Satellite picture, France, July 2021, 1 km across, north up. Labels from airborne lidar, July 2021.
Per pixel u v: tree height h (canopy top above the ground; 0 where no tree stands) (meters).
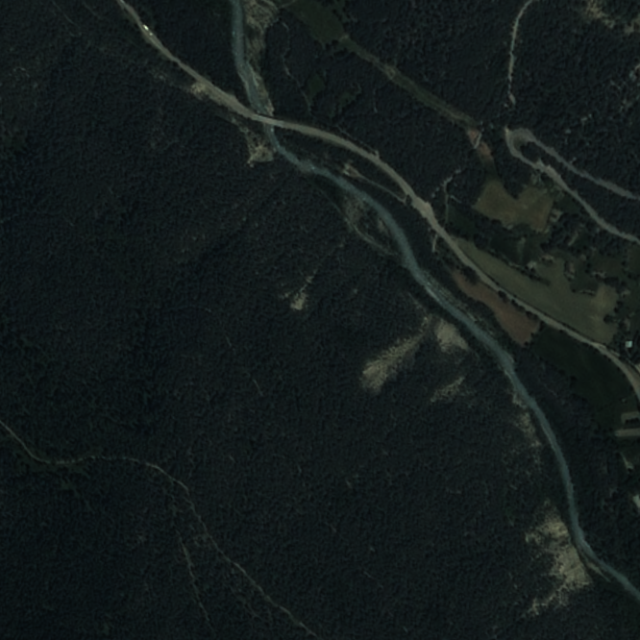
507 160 11
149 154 10
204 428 16
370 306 10
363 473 13
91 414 19
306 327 10
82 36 7
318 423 10
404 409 12
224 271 14
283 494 11
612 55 14
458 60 11
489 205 0
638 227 12
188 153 15
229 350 14
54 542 19
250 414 12
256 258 11
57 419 18
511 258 0
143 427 30
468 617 11
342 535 11
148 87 10
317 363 15
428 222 9
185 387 14
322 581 11
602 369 0
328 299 6
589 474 13
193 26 16
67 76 13
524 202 0
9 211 16
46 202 16
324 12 0
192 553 13
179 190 10
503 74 8
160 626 14
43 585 20
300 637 9
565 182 7
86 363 11
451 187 15
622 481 15
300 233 12
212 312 9
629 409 0
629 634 7
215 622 14
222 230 9
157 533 10
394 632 8
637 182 10
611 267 0
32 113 13
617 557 16
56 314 14
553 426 10
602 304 0
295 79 9
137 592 10
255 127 8
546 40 13
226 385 11
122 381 19
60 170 12
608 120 13
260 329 14
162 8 15
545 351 0
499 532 11
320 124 8
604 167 12
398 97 11
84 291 12
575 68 15
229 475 9
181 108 8
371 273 8
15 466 19
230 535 12
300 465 11
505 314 0
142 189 12
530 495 17
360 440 11
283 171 8
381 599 11
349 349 13
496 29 8
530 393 11
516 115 10
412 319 7
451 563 11
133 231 20
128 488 15
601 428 12
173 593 13
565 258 0
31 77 6
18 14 10
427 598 12
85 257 13
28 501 16
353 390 9
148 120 11
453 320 7
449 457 10
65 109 10
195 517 8
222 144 11
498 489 14
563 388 15
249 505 12
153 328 16
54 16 9
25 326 15
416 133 12
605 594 15
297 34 10
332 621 9
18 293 13
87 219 17
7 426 17
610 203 9
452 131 11
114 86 12
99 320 12
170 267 11
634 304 0
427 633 10
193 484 17
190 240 10
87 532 21
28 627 21
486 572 13
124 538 14
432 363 7
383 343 9
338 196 9
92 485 19
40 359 22
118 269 19
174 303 17
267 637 13
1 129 14
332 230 8
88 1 11
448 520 8
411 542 14
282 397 21
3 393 15
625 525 12
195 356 10
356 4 16
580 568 0
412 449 12
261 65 7
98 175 15
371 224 6
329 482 10
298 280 8
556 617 9
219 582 13
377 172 9
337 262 11
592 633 11
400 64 11
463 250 0
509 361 0
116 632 11
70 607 14
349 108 13
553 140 11
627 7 8
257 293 13
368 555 13
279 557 15
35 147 21
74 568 18
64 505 22
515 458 9
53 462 22
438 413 12
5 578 16
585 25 8
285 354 13
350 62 12
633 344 12
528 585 10
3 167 17
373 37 14
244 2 0
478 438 9
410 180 10
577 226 8
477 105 12
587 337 0
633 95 7
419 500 12
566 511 8
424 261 10
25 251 10
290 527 10
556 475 9
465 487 12
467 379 8
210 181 16
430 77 11
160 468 9
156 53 9
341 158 8
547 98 10
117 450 18
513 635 10
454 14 12
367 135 12
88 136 15
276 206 7
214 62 11
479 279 18
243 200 7
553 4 7
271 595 12
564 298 0
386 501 16
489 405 6
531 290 0
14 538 19
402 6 12
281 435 9
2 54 9
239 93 16
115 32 10
